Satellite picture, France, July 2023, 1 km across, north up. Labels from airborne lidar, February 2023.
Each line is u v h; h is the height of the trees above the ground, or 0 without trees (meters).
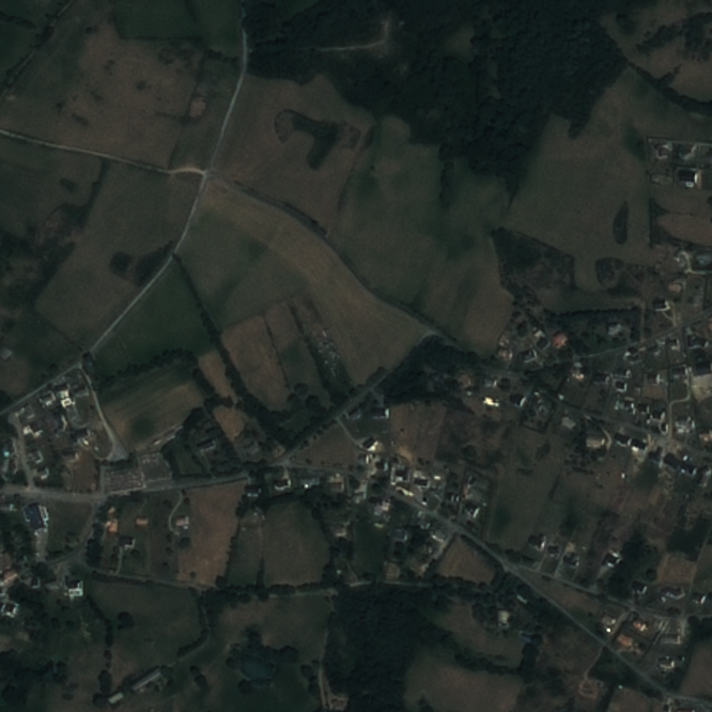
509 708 0
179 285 0
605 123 0
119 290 0
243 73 0
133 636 0
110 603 0
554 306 0
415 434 0
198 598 9
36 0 0
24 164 0
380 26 0
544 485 0
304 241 0
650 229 0
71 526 0
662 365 0
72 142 0
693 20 7
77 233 0
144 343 0
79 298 0
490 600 11
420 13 13
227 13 0
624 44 0
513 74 16
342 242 0
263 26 15
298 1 0
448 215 0
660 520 0
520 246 0
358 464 0
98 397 0
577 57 8
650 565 0
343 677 6
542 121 10
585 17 7
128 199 0
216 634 0
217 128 0
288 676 0
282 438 17
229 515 0
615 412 0
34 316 0
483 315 0
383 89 7
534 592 20
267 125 0
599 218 0
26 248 8
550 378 0
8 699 16
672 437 0
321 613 0
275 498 6
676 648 0
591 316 17
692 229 0
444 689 0
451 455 0
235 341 0
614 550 0
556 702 0
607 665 0
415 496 0
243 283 0
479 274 0
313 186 0
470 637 0
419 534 11
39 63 0
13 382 0
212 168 0
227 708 0
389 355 0
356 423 0
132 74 0
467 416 0
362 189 0
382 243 0
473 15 8
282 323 0
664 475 0
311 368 0
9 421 0
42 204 0
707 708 0
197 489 0
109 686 15
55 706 0
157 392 0
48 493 0
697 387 0
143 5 0
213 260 0
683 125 0
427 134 0
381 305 0
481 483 0
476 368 11
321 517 14
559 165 0
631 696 0
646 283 0
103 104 0
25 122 0
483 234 0
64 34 0
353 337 0
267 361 0
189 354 12
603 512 0
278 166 0
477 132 12
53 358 0
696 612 0
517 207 0
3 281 0
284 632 0
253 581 0
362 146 0
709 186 0
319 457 0
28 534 6
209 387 13
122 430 0
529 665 15
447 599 13
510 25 17
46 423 0
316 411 23
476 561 0
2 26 0
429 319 5
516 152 18
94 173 0
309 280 0
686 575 0
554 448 0
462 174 0
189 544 9
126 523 0
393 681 9
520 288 6
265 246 0
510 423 0
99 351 0
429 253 0
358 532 0
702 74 0
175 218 0
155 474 0
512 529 0
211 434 13
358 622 9
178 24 0
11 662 18
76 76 0
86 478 0
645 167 0
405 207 0
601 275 0
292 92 0
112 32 0
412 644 10
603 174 0
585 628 0
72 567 0
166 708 0
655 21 0
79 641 0
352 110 0
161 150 0
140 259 0
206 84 0
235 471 9
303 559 0
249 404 19
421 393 14
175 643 0
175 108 0
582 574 0
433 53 11
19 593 12
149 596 0
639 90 0
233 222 0
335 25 8
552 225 0
